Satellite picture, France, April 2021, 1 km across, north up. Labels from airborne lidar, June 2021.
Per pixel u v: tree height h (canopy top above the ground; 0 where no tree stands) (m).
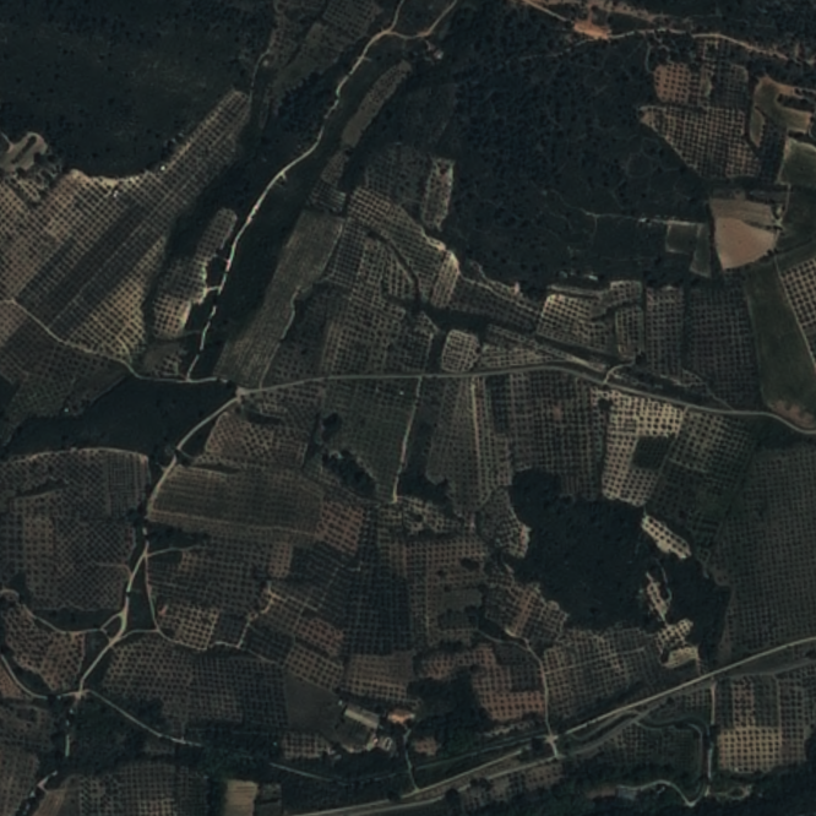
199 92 0
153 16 0
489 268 8
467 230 0
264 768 9
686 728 9
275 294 0
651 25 0
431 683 6
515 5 0
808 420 0
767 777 7
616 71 6
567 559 6
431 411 0
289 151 0
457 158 0
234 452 0
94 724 5
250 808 0
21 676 14
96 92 0
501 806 7
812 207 0
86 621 0
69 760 6
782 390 0
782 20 10
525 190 8
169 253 7
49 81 0
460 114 8
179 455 9
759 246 0
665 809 8
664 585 9
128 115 6
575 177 0
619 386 0
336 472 9
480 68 11
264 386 0
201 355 6
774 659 0
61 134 8
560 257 0
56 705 14
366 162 0
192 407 0
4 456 7
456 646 7
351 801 10
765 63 6
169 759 6
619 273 0
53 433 0
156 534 8
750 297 0
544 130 6
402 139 10
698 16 0
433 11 0
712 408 0
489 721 13
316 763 8
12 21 6
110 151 8
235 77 0
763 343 0
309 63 0
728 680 6
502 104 14
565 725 5
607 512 10
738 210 0
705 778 12
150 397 0
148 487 5
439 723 11
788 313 0
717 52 11
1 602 10
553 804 20
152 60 0
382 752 7
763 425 0
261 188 0
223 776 17
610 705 6
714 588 7
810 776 8
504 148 11
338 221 0
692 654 0
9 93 0
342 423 6
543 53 8
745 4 12
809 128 0
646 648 0
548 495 8
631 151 0
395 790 14
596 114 0
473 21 6
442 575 8
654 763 9
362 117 0
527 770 0
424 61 8
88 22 8
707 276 0
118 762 6
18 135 14
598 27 0
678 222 0
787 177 0
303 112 8
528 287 9
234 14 8
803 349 0
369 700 7
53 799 0
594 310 0
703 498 0
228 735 6
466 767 6
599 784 13
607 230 0
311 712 0
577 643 0
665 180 0
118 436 0
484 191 6
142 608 0
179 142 11
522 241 8
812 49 7
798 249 0
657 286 12
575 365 0
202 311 0
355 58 0
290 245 0
